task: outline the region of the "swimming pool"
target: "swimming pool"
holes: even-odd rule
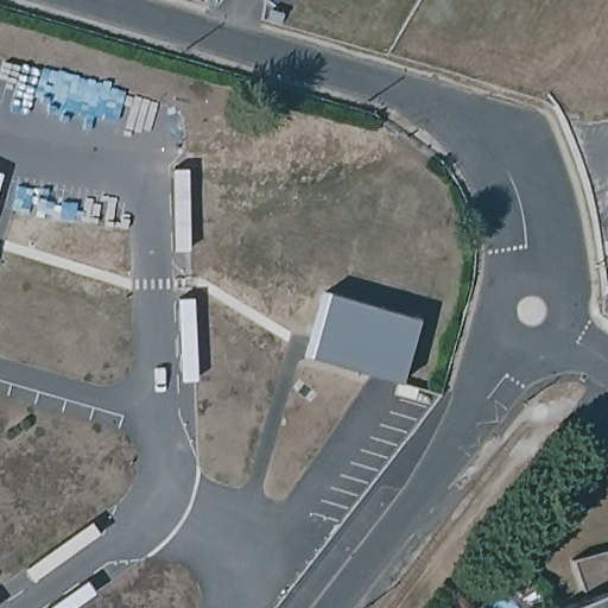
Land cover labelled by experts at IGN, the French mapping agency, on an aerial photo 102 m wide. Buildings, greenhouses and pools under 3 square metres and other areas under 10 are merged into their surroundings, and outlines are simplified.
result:
[[[494,608],[518,608],[513,601],[499,601]]]

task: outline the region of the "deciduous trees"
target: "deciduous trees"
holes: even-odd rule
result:
[[[425,608],[494,608],[499,601],[513,601],[518,608],[558,608],[551,584],[542,577],[542,572],[549,570],[549,561],[553,558],[549,544],[561,542],[568,532],[580,534],[582,523],[565,518],[568,506],[572,504],[570,492],[594,492],[599,487],[599,480],[608,482],[608,451],[601,451],[596,447],[591,435],[580,435],[568,418],[563,418],[558,430],[546,437],[537,456],[504,489],[501,499],[487,508],[485,518],[473,525],[473,530],[468,532],[463,556],[456,561],[454,572],[444,580],[444,584],[435,591]]]
[[[226,121],[233,131],[249,133],[254,138],[268,135],[278,131],[287,116],[280,116],[271,107],[266,107],[264,90],[259,83],[240,78],[230,88],[226,102]]]
[[[482,245],[487,242],[482,216],[475,209],[468,209],[461,188],[449,188],[451,202],[458,214],[456,240],[463,261],[470,261],[475,254],[480,254]]]

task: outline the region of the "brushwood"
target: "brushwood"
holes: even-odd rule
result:
[[[473,297],[480,254],[475,254],[470,261],[463,261],[454,316],[449,321],[447,333],[442,335],[437,371],[428,380],[428,390],[432,392],[444,392],[444,387],[449,387],[451,359],[463,333],[463,311]]]
[[[190,76],[197,86],[211,88],[211,83],[219,83],[230,88],[240,78],[0,7],[0,21],[31,29],[52,38],[71,40],[114,57],[140,62],[152,69]]]
[[[318,100],[299,102],[297,112],[330,119],[337,124],[359,126],[366,131],[378,131],[382,126],[366,112],[344,109]]]

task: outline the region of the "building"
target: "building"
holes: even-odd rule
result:
[[[420,318],[411,318],[404,314],[394,314],[380,306],[371,306],[363,302],[325,292],[318,295],[318,311],[311,325],[304,356],[318,356],[318,361],[361,373],[366,375],[366,380],[390,380],[397,387],[409,385],[411,368],[418,337],[423,330]]]
[[[608,582],[608,551],[572,561],[572,584],[568,587],[570,591],[587,591]]]
[[[601,596],[580,608],[608,608],[608,596]]]

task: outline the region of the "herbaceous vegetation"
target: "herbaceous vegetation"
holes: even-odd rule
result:
[[[318,361],[318,356],[304,356],[311,325],[318,311],[318,295],[325,292],[363,302],[371,306],[380,306],[394,314],[404,314],[411,318],[420,318],[423,330],[418,337],[411,368],[418,371],[418,378],[428,380],[437,371],[442,335],[447,333],[449,321],[454,316],[463,261],[456,240],[458,214],[451,202],[449,188],[437,173],[428,169],[430,154],[423,147],[418,147],[416,140],[397,131],[387,131],[382,126],[378,131],[366,131],[359,126],[337,124],[330,119],[297,112],[287,116],[278,131],[268,135],[254,138],[249,133],[233,131],[226,121],[226,102],[230,88],[219,83],[211,83],[211,88],[197,86],[190,76],[152,69],[140,62],[114,57],[71,40],[52,38],[31,29],[0,21],[0,59],[7,64],[12,57],[29,57],[45,64],[64,64],[71,69],[88,71],[88,76],[97,74],[97,83],[107,83],[109,76],[114,76],[121,86],[128,88],[128,97],[154,102],[157,114],[166,114],[169,107],[176,107],[173,116],[178,116],[178,131],[183,131],[181,147],[190,150],[192,159],[202,162],[204,238],[202,242],[192,242],[190,247],[192,278],[207,278],[216,283],[221,290],[235,295],[252,309],[266,314],[290,333],[290,340],[280,340],[266,328],[252,323],[249,318],[235,314],[230,306],[209,297],[211,368],[200,368],[200,380],[190,382],[195,439],[188,439],[188,447],[195,456],[195,468],[202,468],[202,477],[221,487],[240,489],[245,487],[249,475],[254,475],[264,482],[264,494],[268,499],[287,499],[295,485],[306,473],[306,468],[321,454],[328,437],[335,432],[337,423],[342,420],[342,416],[347,413],[366,380],[366,375],[361,373]]]
[[[397,568],[399,575],[387,587],[390,594],[378,591],[368,601],[359,596],[354,608],[425,608],[435,591],[444,584],[444,580],[454,572],[456,561],[463,556],[468,532],[473,530],[473,525],[485,518],[487,508],[501,499],[504,489],[537,456],[546,437],[558,430],[563,418],[568,418],[582,404],[584,387],[575,382],[563,382],[539,392],[532,406],[515,416],[515,420],[504,430],[501,437],[487,439],[477,451],[475,461],[451,480],[461,496],[458,506],[437,532],[430,532],[418,544],[418,549],[406,558],[406,565]]]
[[[173,565],[173,558],[164,558],[159,553],[145,561],[133,582],[119,587],[116,591],[109,584],[97,587],[93,599],[81,608],[202,608],[200,584],[190,577],[188,570]]]
[[[608,124],[608,0],[261,0],[259,24],[264,33],[309,43],[321,50],[340,52],[344,57],[354,57],[361,62],[373,62],[428,81],[439,81],[449,88],[487,95],[504,105],[513,105],[537,114],[542,114],[549,102],[556,102],[563,114],[577,114],[580,121],[584,121],[587,126]]]
[[[62,223],[52,216],[36,216],[36,209],[24,209],[19,214],[12,214],[7,238],[2,242],[29,245],[40,252],[67,257],[71,261],[100,271],[121,273],[126,278],[135,276],[135,235],[131,228],[112,230],[105,226],[105,221],[97,219],[93,219],[93,223]]]
[[[12,575],[24,568],[29,570],[38,565],[43,558],[55,553],[59,546],[71,542],[83,530],[95,527],[97,515],[105,513],[105,499],[109,499],[109,494],[131,494],[138,477],[138,466],[133,461],[135,449],[126,439],[126,432],[114,435],[109,428],[102,428],[100,432],[95,432],[93,425],[69,418],[67,411],[48,413],[38,409],[38,404],[33,401],[14,401],[12,394],[0,397],[0,575]]]
[[[0,257],[0,359],[31,366],[45,373],[64,375],[83,385],[116,385],[126,378],[126,371],[131,368],[133,302],[126,299],[126,287],[90,276],[81,276],[67,268],[57,268],[5,249]]]
[[[558,608],[580,608],[601,596],[608,596],[608,582],[587,591],[570,591],[568,587],[572,584],[572,561],[608,551],[608,482],[599,480],[599,487],[594,492],[570,492],[572,504],[568,506],[565,518],[582,523],[580,534],[568,532],[561,542],[549,544],[553,558],[549,561],[549,570],[542,572],[542,577],[551,584]]]

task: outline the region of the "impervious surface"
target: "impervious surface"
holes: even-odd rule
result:
[[[482,245],[480,254],[473,297],[463,311],[463,333],[451,359],[449,387],[444,387],[444,392],[432,392],[428,390],[428,380],[418,378],[418,371],[411,368],[409,385],[397,387],[390,380],[366,380],[347,413],[342,416],[342,420],[337,423],[335,432],[328,437],[321,454],[306,468],[306,473],[295,485],[287,499],[268,499],[264,494],[264,482],[254,475],[249,475],[245,487],[240,489],[221,487],[202,477],[202,468],[195,468],[195,456],[188,447],[188,439],[195,439],[190,382],[200,380],[200,368],[211,368],[209,297],[230,306],[235,314],[249,318],[252,323],[266,328],[280,340],[290,340],[290,333],[266,314],[252,309],[235,295],[221,290],[216,283],[207,278],[192,278],[190,247],[192,242],[202,242],[204,238],[202,162],[192,159],[190,150],[181,147],[183,131],[178,131],[178,116],[173,116],[176,107],[169,107],[166,114],[157,114],[154,102],[128,97],[128,88],[121,86],[114,76],[109,76],[107,83],[97,83],[97,74],[88,76],[88,71],[71,69],[64,64],[45,64],[29,57],[12,57],[7,64],[0,59],[0,257],[5,249],[57,268],[67,268],[81,276],[90,276],[126,287],[126,299],[133,302],[131,368],[126,371],[126,378],[116,385],[83,385],[64,375],[45,373],[31,366],[0,359],[0,397],[12,394],[14,401],[33,401],[38,404],[38,409],[48,413],[67,411],[69,418],[93,425],[95,432],[100,432],[102,428],[109,428],[114,435],[126,432],[126,439],[135,449],[133,461],[138,466],[138,477],[131,494],[109,494],[109,499],[105,499],[105,513],[97,515],[95,527],[83,530],[71,542],[59,546],[55,553],[43,558],[38,565],[29,570],[24,568],[12,575],[0,575],[0,608],[81,608],[93,599],[97,587],[109,584],[116,591],[119,587],[133,582],[145,561],[159,553],[164,558],[173,558],[173,565],[188,570],[190,577],[200,584],[202,608],[354,608],[359,596],[368,601],[378,591],[390,594],[387,587],[399,575],[397,568],[406,565],[406,558],[418,549],[418,544],[430,532],[437,532],[458,506],[461,496],[451,480],[475,461],[477,451],[487,439],[501,437],[504,430],[515,420],[515,416],[532,406],[539,392],[563,382],[575,382],[584,387],[582,404],[568,418],[580,435],[591,435],[596,447],[601,451],[608,451],[608,124],[587,126],[584,121],[580,121],[577,114],[563,114],[556,102],[549,102],[542,114],[537,114],[513,105],[504,105],[487,95],[449,88],[439,81],[428,81],[373,62],[361,62],[354,57],[344,57],[340,52],[321,50],[309,43],[264,33],[259,24],[261,0],[0,0],[0,7],[240,78],[259,83],[264,90],[266,107],[271,107],[280,116],[287,116],[297,112],[299,102],[318,100],[344,109],[366,112],[382,126],[387,131],[397,131],[416,140],[418,147],[423,147],[430,154],[428,169],[437,173],[449,188],[461,188],[468,209],[475,209],[482,216],[487,242]],[[67,257],[40,252],[29,245],[2,242],[7,238],[12,214],[19,214],[24,209],[36,209],[36,216],[52,216],[62,223],[93,223],[93,219],[97,219],[105,221],[105,226],[112,230],[131,228],[135,235],[135,276],[126,278],[121,273],[100,271],[71,261]]]

